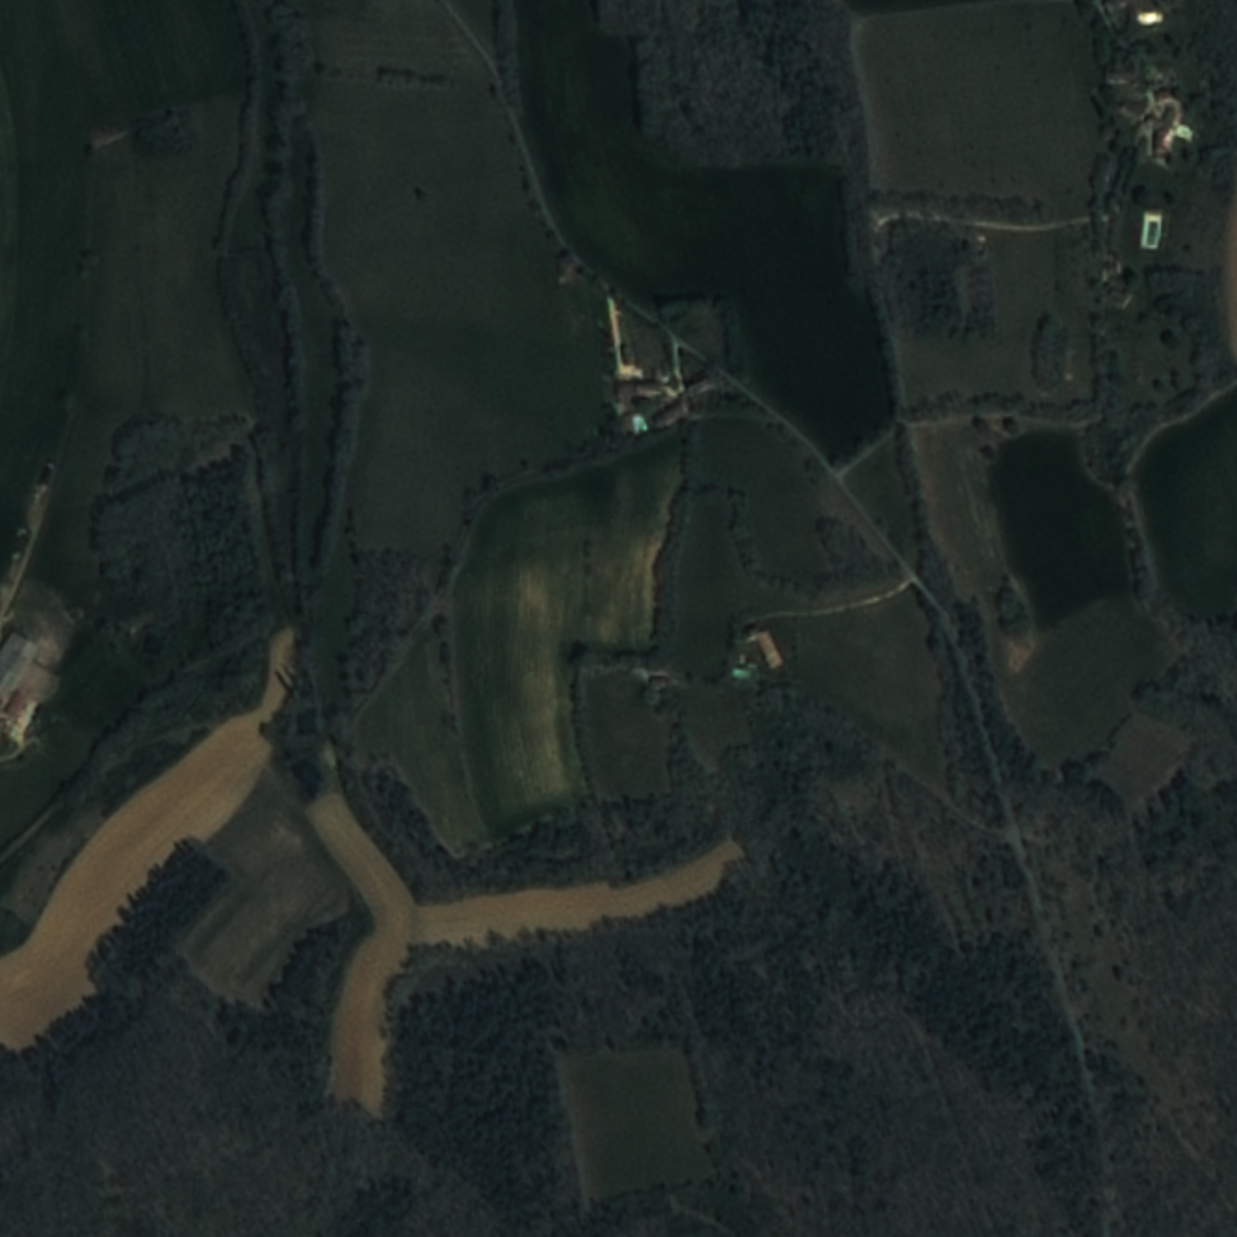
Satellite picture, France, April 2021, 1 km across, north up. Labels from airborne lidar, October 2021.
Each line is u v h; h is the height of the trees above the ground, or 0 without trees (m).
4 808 0
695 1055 15
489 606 0
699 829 8
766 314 0
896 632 0
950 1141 20
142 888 0
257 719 0
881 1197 11
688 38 17
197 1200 18
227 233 9
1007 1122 12
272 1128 16
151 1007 12
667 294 0
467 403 0
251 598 7
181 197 0
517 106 10
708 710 0
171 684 10
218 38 0
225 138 0
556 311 0
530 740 0
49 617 0
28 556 0
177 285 0
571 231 0
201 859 13
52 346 0
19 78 0
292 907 0
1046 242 0
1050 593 0
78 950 0
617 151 0
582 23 0
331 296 16
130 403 0
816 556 0
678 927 16
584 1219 11
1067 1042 11
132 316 0
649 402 10
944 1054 9
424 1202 11
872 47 0
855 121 15
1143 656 0
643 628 0
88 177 0
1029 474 0
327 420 0
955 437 0
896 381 14
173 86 0
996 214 15
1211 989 14
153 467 21
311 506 0
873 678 0
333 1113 18
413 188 0
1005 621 11
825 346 0
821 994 6
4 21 0
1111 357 10
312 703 22
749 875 17
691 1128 0
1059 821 11
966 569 0
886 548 0
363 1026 0
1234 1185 11
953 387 0
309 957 15
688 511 8
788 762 10
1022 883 11
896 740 0
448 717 7
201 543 16
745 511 7
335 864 0
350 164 0
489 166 0
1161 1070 7
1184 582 0
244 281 0
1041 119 0
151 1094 20
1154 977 14
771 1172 11
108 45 0
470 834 0
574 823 6
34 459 0
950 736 12
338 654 0
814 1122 15
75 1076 16
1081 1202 11
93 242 0
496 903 0
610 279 0
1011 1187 19
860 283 13
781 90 13
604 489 0
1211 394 8
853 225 10
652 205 0
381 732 0
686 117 13
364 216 0
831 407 0
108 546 21
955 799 13
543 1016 11
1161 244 0
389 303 0
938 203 14
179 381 0
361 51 0
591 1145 0
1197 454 0
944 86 0
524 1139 9
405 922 0
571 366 0
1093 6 9
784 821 13
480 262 0
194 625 14
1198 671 16
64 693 0
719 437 0
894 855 8
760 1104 14
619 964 14
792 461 0
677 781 10
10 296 0
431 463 0
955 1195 17
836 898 6
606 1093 0
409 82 12
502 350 0
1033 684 0
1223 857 11
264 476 15
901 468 11
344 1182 13
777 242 0
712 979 17
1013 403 8
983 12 0
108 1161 19
